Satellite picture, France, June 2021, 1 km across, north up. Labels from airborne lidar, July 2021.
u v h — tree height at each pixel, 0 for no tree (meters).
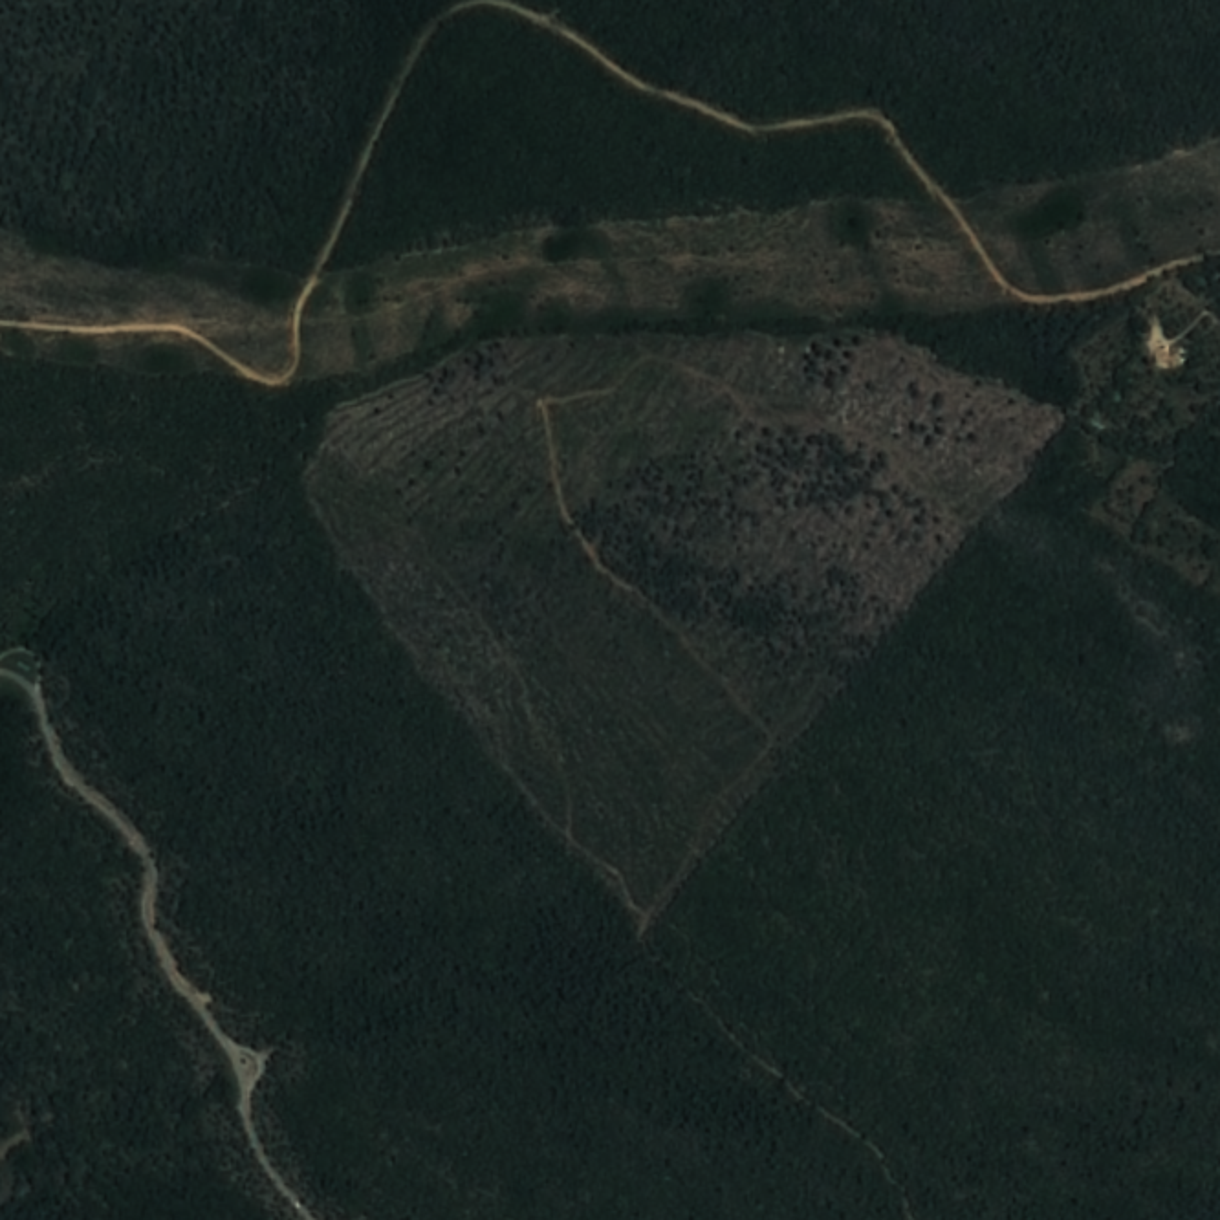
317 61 11
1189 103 8
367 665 7
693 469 9
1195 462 8
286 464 7
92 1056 6
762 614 9
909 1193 8
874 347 0
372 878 7
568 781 0
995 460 0
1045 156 6
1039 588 7
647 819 0
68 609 9
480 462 0
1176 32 8
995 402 0
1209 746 7
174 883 6
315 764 6
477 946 6
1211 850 9
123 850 6
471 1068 5
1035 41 6
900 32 6
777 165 5
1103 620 7
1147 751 6
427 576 0
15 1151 9
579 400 0
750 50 6
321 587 6
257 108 8
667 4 6
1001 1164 7
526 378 0
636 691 0
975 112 6
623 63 8
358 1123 5
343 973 7
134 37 10
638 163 5
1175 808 10
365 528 0
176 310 0
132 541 9
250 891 5
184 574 7
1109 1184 8
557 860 5
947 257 0
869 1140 10
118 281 0
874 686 6
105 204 7
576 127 5
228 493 7
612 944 8
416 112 6
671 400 0
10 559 5
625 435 0
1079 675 6
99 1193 8
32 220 8
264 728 10
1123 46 7
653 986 8
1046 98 6
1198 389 9
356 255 6
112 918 7
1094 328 8
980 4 7
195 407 7
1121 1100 6
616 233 0
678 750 0
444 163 6
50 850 7
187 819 7
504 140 7
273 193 10
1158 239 0
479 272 0
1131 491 7
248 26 10
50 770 7
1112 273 0
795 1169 10
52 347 0
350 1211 7
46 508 6
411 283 0
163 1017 7
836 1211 11
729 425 0
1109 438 11
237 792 6
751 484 9
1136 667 7
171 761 6
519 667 0
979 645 6
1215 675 6
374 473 0
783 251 0
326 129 7
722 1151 10
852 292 0
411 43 7
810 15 6
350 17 11
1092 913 6
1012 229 0
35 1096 8
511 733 0
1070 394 8
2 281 0
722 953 6
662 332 8
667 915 6
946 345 9
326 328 0
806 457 9
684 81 10
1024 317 14
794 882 6
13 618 7
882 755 7
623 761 0
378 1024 6
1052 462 11
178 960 6
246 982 7
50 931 7
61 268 0
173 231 7
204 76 11
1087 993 6
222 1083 8
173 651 6
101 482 8
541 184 5
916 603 5
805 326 8
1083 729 8
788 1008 6
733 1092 11
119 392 6
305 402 7
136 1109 6
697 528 7
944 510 0
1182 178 0
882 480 0
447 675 0
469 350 0
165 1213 7
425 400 0
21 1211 9
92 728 5
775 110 6
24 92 7
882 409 0
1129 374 9
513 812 6
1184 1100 8
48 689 6
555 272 0
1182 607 6
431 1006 10
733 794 0
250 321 0
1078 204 0
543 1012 11
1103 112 5
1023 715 6
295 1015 9
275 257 6
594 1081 10
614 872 0
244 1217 7
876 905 6
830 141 8
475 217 5
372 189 7
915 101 6
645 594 8
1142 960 8
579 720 0
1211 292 8
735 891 6
